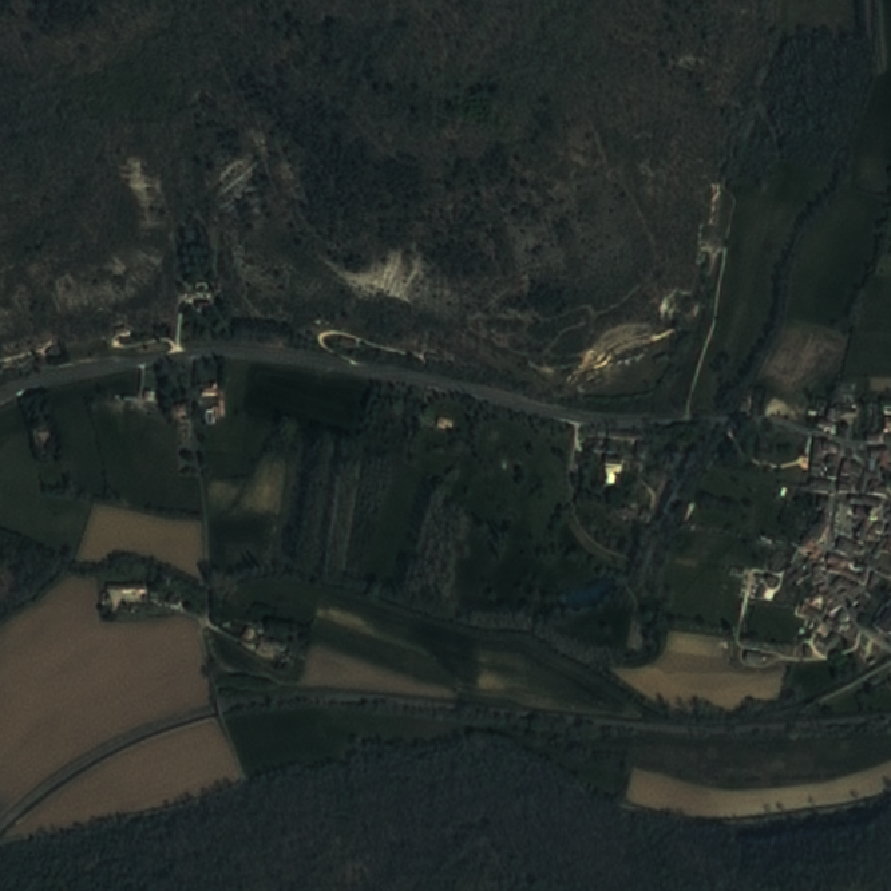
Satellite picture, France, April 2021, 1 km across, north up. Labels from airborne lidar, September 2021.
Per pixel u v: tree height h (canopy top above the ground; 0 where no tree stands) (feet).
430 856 42
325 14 42
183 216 53
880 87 0
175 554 0
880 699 0
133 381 0
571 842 50
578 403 31
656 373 0
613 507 51
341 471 121
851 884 33
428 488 0
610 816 63
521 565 0
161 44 84
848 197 0
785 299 54
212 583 95
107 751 0
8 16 55
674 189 25
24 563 80
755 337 0
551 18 69
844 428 27
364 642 0
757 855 36
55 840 42
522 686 0
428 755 35
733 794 0
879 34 102
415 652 0
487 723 35
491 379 41
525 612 53
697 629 56
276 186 27
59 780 0
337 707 42
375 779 60
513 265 18
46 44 55
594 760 20
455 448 48
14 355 46
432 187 40
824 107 74
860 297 42
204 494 0
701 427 57
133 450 0
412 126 48
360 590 62
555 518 26
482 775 45
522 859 41
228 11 42
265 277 0
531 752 45
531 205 28
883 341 0
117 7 60
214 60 51
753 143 34
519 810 54
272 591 0
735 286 0
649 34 26
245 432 0
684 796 0
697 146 35
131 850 26
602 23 52
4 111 70
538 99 62
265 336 51
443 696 0
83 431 0
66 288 20
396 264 0
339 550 115
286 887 31
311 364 0
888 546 0
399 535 0
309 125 88
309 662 0
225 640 0
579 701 0
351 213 67
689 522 35
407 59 42
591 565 35
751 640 28
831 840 53
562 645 115
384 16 60
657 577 62
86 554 0
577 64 54
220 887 46
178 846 61
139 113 50
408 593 97
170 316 21
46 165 69
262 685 29
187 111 49
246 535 0
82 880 32
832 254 0
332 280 0
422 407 34
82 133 77
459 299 0
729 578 0
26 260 27
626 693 27
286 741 0
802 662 22
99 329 57
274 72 43
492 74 32
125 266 0
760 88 37
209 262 78
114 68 49
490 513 0
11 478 0
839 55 77
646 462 63
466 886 22
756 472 30
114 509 0
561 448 27
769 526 0
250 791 29
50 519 0
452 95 30
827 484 0
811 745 0
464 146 36
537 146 57
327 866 25
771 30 19
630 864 55
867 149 0
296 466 0
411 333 24
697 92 20
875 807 33
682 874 63
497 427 0
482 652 0
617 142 19
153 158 42
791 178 0
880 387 0
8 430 0
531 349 26
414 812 58
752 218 0
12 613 44
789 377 0
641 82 48
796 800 0
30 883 21
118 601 0
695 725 57
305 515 100
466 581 0
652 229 25
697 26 24
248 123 26
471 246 38
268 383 0
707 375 0
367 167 78
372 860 33
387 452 26
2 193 59
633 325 0
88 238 29
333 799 28
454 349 37
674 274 28
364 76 45
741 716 57
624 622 0
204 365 26
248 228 23
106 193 59
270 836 31
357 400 0
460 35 39
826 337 0
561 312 39
